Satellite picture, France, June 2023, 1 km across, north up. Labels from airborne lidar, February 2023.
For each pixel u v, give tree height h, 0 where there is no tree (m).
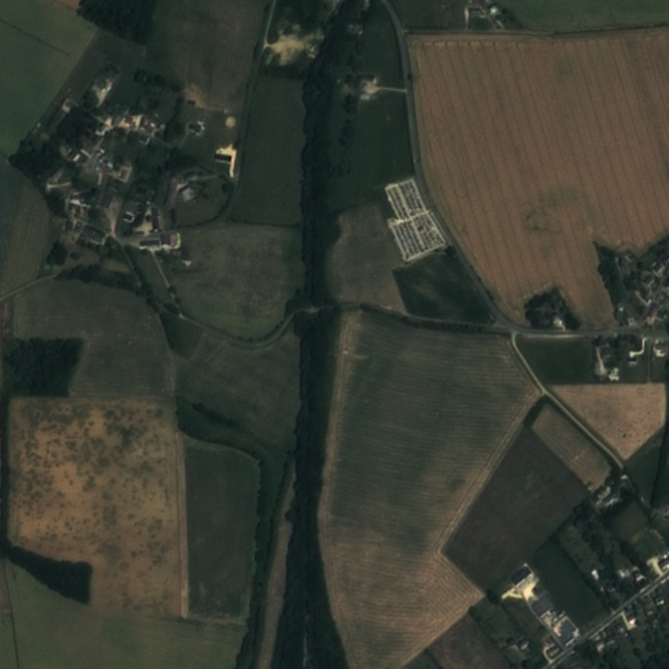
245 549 0
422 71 0
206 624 0
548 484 0
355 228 0
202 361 0
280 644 7
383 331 0
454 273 0
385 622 0
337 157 0
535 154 0
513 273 0
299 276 0
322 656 12
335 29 18
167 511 0
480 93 0
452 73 0
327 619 12
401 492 0
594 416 0
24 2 0
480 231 0
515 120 0
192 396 0
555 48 0
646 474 0
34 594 0
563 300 9
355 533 0
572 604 0
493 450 0
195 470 0
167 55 0
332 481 0
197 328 0
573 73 0
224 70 0
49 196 6
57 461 0
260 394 0
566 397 0
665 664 27
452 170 0
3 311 0
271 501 0
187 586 0
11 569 0
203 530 0
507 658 7
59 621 0
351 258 0
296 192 0
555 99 0
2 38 0
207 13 0
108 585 0
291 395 0
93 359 0
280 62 0
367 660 0
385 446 0
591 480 0
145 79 7
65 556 0
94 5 17
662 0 0
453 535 0
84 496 0
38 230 0
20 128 0
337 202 0
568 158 0
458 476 0
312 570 17
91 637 0
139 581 0
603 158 0
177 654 0
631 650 0
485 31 0
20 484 0
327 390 0
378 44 0
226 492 0
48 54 0
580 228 0
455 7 0
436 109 0
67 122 13
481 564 0
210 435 0
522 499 0
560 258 0
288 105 0
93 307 0
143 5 23
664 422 0
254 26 0
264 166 0
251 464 0
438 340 0
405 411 0
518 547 0
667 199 0
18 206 0
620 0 0
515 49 0
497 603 11
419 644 0
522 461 0
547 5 0
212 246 0
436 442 0
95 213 9
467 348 0
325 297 16
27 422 0
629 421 0
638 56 0
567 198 0
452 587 0
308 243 15
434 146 0
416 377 0
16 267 0
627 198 0
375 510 0
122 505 0
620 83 0
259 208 0
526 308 8
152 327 0
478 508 0
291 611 14
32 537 0
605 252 11
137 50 0
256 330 0
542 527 0
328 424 0
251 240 0
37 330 0
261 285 0
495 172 0
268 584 0
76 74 0
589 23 0
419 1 0
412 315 0
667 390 0
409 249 0
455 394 0
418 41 0
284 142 0
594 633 0
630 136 0
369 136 0
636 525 0
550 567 0
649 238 0
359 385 0
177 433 0
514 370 0
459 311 0
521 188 0
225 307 0
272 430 0
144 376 0
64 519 0
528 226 0
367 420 0
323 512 0
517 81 0
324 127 19
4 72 0
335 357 0
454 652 0
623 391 0
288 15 0
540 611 0
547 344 0
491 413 0
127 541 0
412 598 0
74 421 0
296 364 0
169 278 0
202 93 0
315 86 18
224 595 0
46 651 0
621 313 12
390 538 0
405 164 0
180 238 0
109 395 0
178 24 0
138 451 0
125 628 0
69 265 0
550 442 0
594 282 0
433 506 0
